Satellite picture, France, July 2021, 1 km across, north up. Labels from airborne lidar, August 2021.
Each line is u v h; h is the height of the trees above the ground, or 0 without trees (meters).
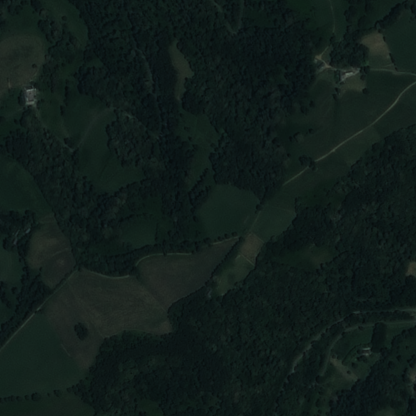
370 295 32
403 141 23
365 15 8
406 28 0
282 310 29
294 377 21
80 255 13
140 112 26
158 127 27
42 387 0
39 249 0
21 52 0
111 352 9
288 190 0
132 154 23
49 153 22
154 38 14
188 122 0
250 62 19
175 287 0
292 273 27
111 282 0
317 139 0
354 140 0
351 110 0
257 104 30
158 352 20
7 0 14
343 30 0
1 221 19
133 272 16
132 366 27
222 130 24
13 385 0
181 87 0
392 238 7
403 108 0
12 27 0
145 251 17
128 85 16
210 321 23
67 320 0
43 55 0
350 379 0
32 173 13
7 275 0
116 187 0
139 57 24
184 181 23
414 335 20
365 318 24
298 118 0
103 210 20
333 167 0
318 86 0
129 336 11
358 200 13
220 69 25
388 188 22
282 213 0
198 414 24
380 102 0
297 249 32
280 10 15
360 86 0
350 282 25
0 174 0
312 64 10
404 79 0
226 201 0
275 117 28
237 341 29
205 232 0
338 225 17
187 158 16
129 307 0
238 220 0
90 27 26
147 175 14
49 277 0
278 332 21
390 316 25
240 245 13
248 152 23
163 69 20
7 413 0
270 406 9
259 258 16
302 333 22
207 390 21
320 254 0
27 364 0
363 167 16
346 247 32
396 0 0
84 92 27
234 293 18
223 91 24
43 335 0
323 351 16
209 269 0
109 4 14
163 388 12
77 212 22
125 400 23
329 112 0
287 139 0
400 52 0
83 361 0
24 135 13
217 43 38
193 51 20
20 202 0
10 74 0
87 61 17
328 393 0
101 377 18
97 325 0
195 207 19
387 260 25
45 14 20
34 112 12
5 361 0
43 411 0
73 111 0
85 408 0
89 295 0
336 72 9
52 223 0
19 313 12
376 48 0
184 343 20
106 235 25
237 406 24
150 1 24
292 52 26
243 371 28
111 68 22
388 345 0
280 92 16
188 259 0
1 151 17
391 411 0
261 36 23
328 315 17
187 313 20
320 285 24
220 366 22
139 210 6
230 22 18
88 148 0
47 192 16
